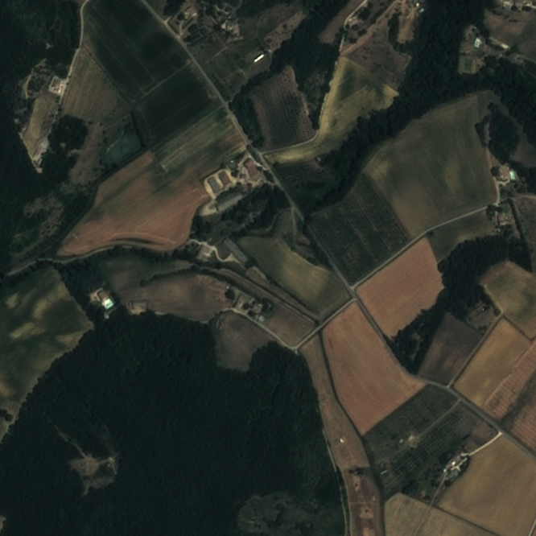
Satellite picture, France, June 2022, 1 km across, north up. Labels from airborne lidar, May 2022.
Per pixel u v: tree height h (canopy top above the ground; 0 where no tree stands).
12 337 0
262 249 0
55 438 12
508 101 21
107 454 9
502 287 0
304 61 11
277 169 8
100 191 0
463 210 0
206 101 0
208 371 12
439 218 0
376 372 0
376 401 0
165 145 0
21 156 13
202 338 10
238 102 14
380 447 0
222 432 12
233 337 0
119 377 14
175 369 16
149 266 0
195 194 0
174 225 0
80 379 12
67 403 12
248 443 10
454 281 12
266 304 7
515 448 0
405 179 0
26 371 0
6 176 10
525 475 0
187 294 0
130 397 13
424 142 0
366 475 0
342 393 0
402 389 0
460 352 0
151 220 0
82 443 8
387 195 0
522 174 12
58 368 14
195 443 7
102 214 0
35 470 9
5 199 6
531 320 0
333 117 0
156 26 0
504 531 0
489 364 0
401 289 0
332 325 0
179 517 9
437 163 0
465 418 0
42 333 0
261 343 0
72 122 13
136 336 12
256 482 7
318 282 0
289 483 11
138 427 12
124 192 0
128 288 0
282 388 13
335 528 0
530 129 17
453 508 0
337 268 0
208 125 0
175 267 0
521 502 0
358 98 0
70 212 6
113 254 14
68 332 0
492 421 0
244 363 0
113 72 0
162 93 0
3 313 0
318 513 10
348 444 0
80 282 25
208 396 12
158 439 10
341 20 0
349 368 0
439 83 20
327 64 8
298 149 0
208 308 0
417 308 0
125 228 0
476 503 0
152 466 8
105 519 7
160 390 14
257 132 7
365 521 0
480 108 0
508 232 7
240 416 12
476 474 0
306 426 12
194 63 0
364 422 0
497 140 11
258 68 0
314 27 14
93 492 14
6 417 9
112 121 0
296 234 0
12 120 10
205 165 0
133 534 9
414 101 21
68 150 10
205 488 12
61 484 11
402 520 0
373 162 0
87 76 0
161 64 0
